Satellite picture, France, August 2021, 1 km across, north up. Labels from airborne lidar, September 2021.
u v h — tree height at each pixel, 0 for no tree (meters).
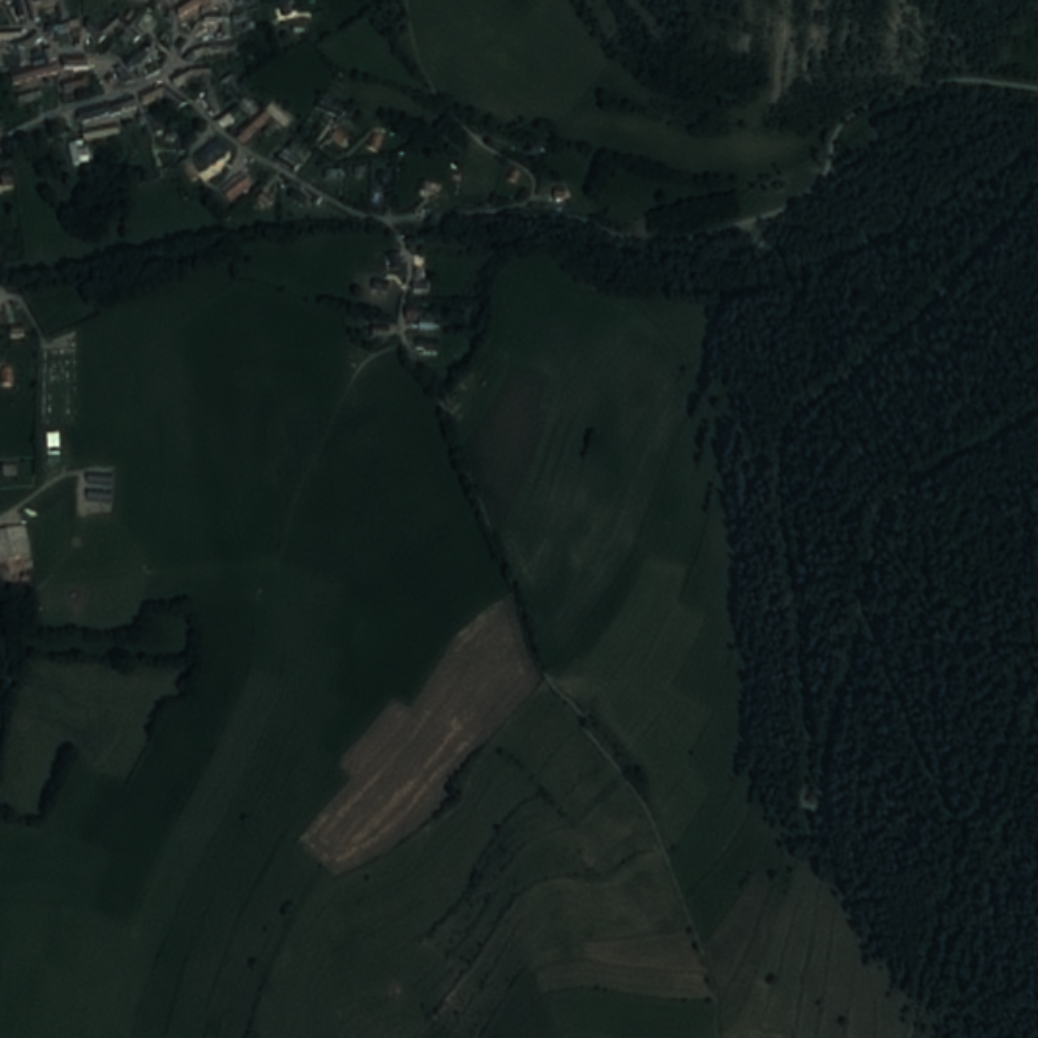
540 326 0
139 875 0
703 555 0
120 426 0
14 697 15
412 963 0
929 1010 7
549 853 0
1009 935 25
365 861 0
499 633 0
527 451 0
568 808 0
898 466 20
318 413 0
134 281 24
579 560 0
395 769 0
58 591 0
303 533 0
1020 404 23
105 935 0
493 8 0
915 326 12
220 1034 0
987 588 14
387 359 0
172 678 0
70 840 0
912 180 22
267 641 0
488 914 0
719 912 0
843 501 23
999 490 19
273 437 0
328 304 12
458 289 0
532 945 0
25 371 0
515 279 0
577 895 0
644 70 11
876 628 7
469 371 12
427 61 0
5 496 0
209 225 0
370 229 13
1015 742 28
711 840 0
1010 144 22
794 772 19
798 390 24
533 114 0
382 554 0
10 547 0
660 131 0
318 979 0
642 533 0
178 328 0
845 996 0
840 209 25
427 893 0
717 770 0
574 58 0
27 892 0
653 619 0
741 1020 0
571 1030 0
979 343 21
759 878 0
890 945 17
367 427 0
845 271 26
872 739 6
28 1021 0
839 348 16
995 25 13
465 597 0
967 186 22
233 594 0
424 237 11
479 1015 0
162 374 0
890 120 27
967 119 23
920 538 7
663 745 0
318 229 13
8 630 13
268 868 0
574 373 0
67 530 0
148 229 0
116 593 0
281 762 0
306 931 0
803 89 11
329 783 0
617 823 0
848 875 19
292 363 0
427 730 0
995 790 25
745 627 17
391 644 0
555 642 0
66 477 0
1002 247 25
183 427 0
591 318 0
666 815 0
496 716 0
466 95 0
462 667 0
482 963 0
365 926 0
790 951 0
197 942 0
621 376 0
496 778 0
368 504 0
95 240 22
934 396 15
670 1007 0
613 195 0
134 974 0
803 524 17
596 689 0
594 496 0
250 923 0
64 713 0
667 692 0
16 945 0
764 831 0
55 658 12
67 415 0
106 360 0
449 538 0
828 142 12
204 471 0
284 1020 0
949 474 16
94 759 0
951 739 24
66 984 0
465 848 0
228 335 0
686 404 0
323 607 0
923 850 28
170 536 0
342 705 0
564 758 0
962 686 30
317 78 0
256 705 0
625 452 0
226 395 0
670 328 0
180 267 17
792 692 22
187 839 0
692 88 11
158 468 0
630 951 0
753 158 0
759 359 26
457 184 0
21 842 0
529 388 0
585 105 0
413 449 0
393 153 7
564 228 19
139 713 0
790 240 25
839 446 26
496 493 0
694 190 8
